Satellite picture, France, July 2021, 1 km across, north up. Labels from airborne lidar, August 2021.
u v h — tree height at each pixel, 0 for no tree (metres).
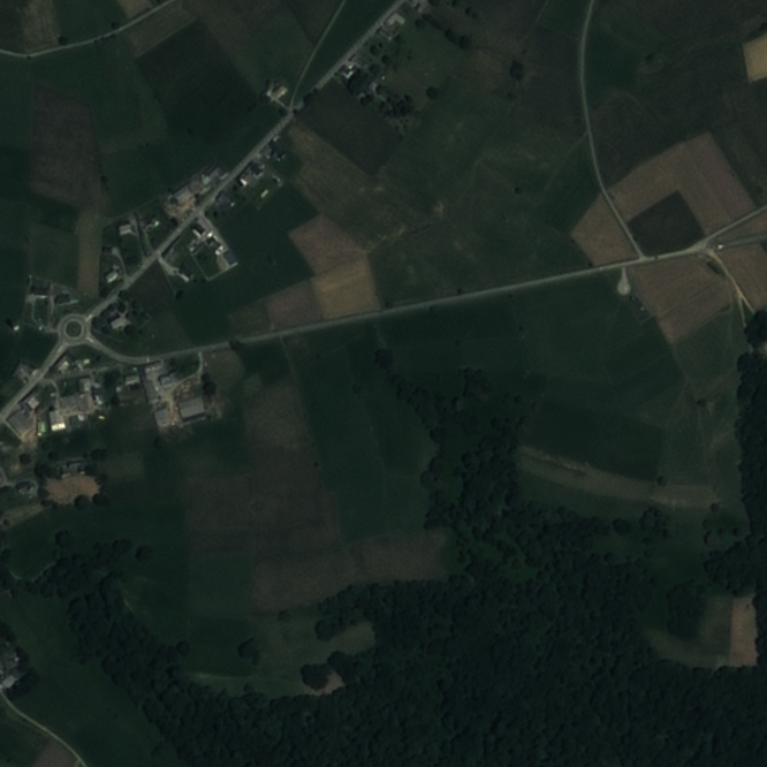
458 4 13
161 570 0
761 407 20
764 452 23
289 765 11
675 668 21
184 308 0
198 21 0
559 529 10
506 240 0
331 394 0
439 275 0
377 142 0
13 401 0
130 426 0
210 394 14
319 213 0
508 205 0
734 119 0
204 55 0
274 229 0
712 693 34
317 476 0
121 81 0
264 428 0
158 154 0
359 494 0
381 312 0
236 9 0
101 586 10
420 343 0
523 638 25
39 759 0
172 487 0
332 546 0
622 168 0
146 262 0
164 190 0
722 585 21
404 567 0
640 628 25
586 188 0
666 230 0
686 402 0
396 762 10
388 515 0
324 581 0
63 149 0
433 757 26
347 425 0
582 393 0
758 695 35
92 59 0
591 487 0
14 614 0
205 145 0
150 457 0
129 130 0
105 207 0
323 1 0
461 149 0
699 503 0
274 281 0
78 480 0
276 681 0
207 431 0
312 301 0
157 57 0
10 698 18
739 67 0
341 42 0
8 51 0
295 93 0
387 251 0
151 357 0
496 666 16
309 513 0
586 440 0
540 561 29
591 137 0
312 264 0
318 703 19
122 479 0
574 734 32
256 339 0
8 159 0
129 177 0
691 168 0
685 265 0
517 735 28
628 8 0
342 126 0
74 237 0
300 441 0
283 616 11
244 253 0
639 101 0
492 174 0
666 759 33
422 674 26
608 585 11
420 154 0
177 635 0
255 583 0
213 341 0
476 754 28
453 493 0
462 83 0
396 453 0
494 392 16
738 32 0
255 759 21
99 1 0
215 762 33
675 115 0
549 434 0
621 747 24
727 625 0
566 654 34
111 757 0
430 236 0
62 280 0
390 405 0
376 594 25
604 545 0
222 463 0
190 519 0
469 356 0
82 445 0
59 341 0
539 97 0
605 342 0
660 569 0
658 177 0
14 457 0
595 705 20
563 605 26
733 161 0
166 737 10
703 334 0
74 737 0
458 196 0
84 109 0
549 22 0
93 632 24
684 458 0
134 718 0
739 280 0
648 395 0
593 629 35
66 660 0
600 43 0
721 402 0
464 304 0
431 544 0
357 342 0
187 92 0
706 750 30
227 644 0
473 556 8
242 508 0
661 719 30
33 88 0
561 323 0
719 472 0
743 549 25
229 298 0
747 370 20
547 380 0
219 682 0
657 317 0
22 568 0
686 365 0
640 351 0
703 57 0
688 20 0
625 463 0
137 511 0
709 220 0
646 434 0
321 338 0
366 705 28
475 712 30
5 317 0
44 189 0
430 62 0
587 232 0
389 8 0
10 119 0
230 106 0
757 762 30
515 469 14
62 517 0
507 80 0
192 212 0
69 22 0
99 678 0
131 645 32
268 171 0
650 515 13
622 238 0
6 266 0
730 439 0
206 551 0
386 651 20
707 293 0
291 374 0
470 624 26
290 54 0
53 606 0
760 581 25
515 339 0
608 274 0
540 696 26
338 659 21
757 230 0
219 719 31
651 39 0
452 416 13
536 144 0
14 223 0
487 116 0
